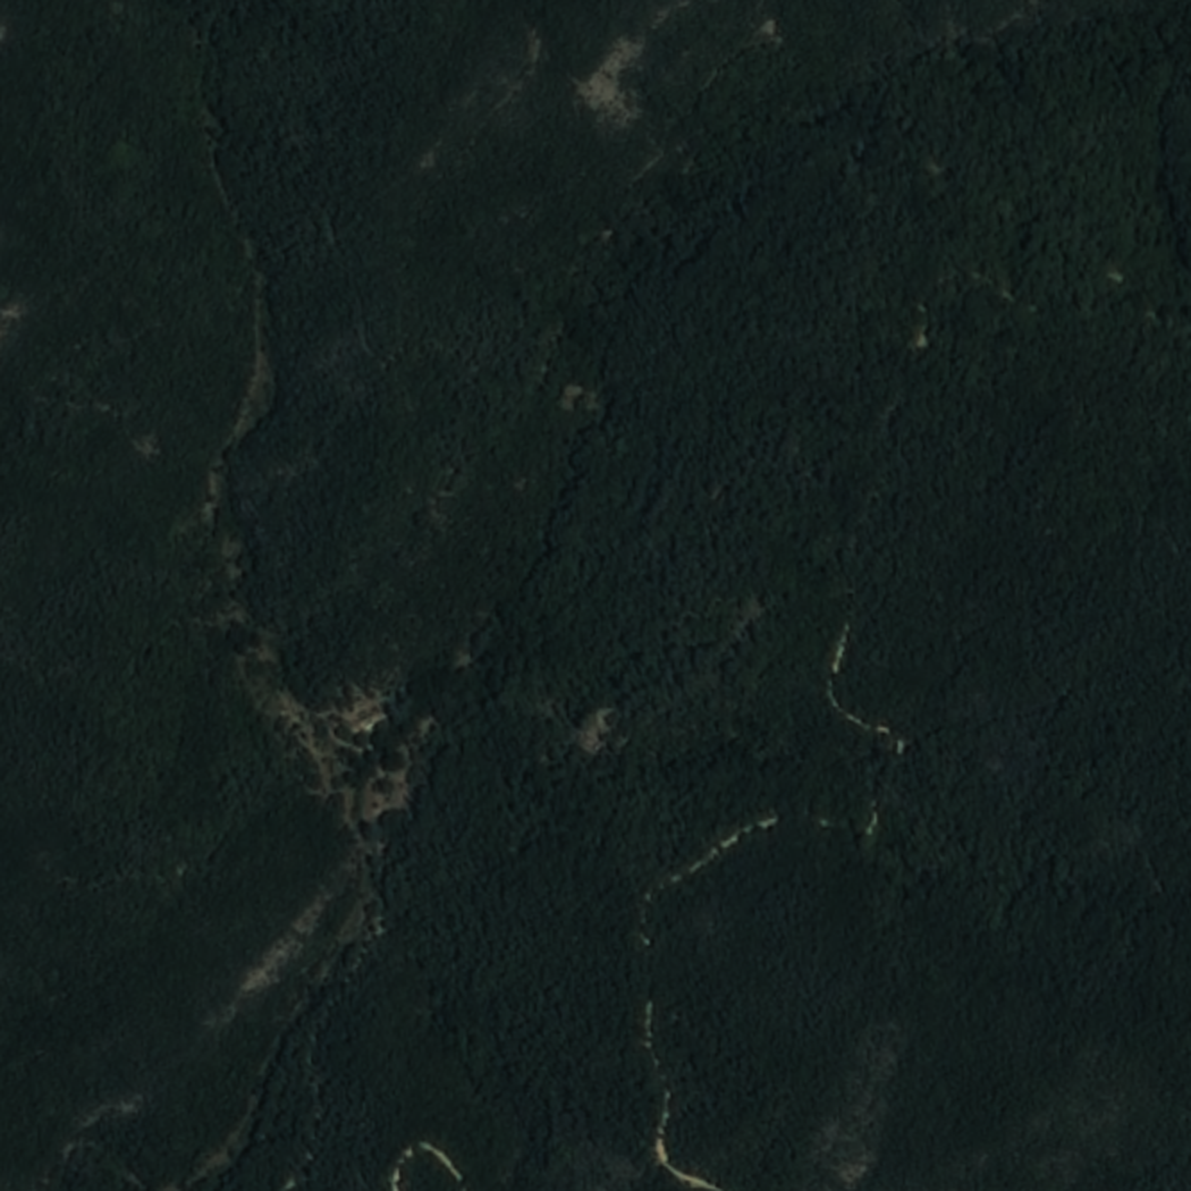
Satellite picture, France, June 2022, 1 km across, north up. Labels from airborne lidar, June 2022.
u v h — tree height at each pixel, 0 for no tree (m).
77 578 11
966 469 20
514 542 12
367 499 10
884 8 7
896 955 10
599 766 21
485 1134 11
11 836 7
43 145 12
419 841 8
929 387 16
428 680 21
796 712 10
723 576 16
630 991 11
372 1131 10
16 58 11
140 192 13
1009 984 9
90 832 9
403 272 7
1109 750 14
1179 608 12
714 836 10
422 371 10
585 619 15
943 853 9
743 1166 15
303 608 12
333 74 9
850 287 18
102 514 9
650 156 6
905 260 18
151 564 7
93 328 10
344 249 14
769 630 10
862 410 11
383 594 13
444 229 9
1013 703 8
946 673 9
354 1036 15
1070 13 6
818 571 8
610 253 21
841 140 20
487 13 8
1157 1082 9
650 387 12
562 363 18
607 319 16
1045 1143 6
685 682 18
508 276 8
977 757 15
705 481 8
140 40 8
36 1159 11
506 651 18
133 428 11
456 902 13
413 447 8
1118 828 7
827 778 10
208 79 14
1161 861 8
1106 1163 8
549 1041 12
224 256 9
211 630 7
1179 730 10
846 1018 9
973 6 6
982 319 15
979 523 16
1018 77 9
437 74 10
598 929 13
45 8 12
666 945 9
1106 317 12
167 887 13
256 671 9
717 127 18
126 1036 10
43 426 17
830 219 14
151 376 13
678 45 12
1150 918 11
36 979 13
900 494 15
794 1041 7
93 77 8
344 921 7
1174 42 15
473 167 8
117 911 11
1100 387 19
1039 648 7
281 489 6
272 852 9
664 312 11
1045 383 18
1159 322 19
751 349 14
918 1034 6
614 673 7
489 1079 16
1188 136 14
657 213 22
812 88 15
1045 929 9
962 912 15
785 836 7
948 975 7
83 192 15
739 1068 14
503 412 17
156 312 7
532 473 10
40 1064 13
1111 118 11
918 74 15
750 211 19
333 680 13
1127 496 17
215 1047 6
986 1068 10
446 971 12
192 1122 11
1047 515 16
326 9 10
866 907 10
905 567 16
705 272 19
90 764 15
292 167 16
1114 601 8
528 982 13
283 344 13
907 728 14
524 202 7
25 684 7
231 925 8
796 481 18
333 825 11
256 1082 7
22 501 7
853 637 13
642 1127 10
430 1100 12
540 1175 9
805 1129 8
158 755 14
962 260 14
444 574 9
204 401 10
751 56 15
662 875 13
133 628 13
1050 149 15
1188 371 18
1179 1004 11
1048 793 9
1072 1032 11
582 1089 13
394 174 6
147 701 13
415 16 9
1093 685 16
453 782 9
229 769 10
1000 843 10
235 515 7
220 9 12
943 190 11
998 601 12
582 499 18
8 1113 12
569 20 6
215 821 9
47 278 9
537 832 16
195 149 13
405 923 13
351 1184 9
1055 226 17
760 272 13
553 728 16
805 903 15
